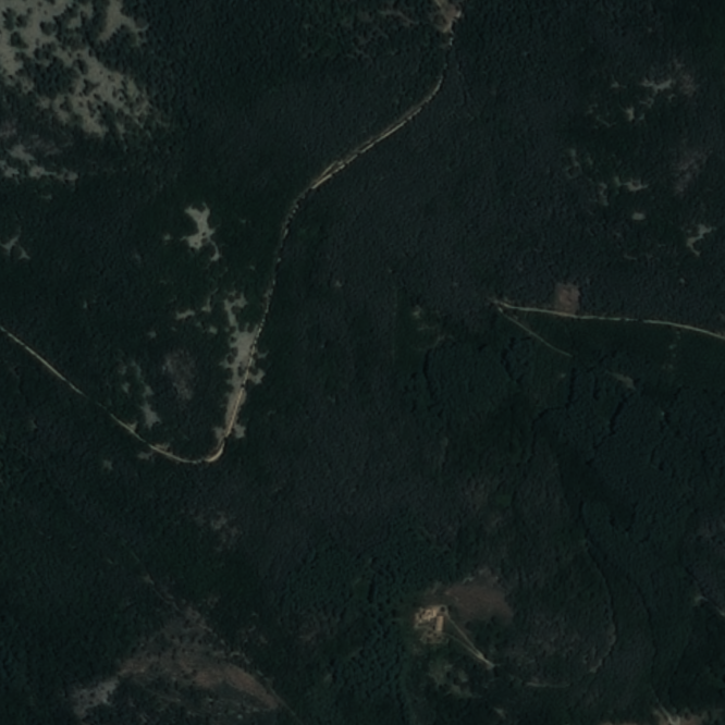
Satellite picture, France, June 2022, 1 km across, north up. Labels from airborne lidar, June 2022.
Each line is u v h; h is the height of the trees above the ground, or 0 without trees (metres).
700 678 15
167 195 12
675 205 9
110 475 9
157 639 8
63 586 14
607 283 19
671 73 7
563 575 12
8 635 11
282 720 10
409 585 27
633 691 15
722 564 15
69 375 10
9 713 25
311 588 28
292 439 15
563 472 14
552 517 20
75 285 10
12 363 9
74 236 13
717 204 8
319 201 17
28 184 9
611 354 8
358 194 17
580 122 13
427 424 24
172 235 8
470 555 9
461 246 19
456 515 14
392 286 19
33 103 7
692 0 13
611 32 14
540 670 12
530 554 14
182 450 10
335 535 14
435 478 13
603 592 12
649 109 6
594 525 36
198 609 6
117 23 0
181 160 13
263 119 14
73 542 12
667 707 13
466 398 30
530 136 13
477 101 10
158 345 10
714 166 9
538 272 16
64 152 9
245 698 0
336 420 16
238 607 11
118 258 15
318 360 17
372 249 19
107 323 12
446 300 15
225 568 9
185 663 0
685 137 7
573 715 16
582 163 8
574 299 0
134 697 12
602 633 19
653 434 29
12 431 18
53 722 17
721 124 13
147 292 13
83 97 7
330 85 20
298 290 14
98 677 15
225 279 11
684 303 14
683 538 18
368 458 14
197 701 9
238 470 13
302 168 15
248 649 12
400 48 16
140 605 12
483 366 28
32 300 16
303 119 13
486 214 19
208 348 13
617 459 28
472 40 16
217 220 11
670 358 5
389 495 16
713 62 11
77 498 15
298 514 17
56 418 17
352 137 13
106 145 6
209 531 10
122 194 7
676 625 27
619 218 8
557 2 9
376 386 19
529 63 12
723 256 13
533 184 18
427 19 18
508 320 7
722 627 18
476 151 13
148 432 9
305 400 15
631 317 10
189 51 13
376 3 14
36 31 0
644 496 30
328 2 17
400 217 16
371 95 15
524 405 22
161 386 13
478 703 14
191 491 10
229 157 16
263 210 17
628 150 8
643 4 12
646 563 31
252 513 14
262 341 10
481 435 12
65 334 14
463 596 0
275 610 14
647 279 14
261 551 17
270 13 14
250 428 13
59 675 12
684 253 12
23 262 12
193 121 15
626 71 7
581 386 25
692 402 27
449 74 16
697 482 29
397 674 27
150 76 14
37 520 16
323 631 8
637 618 15
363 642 16
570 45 13
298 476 16
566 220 14
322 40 9
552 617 8
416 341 7
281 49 11
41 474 15
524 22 14
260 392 12
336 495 13
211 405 13
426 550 28
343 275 15
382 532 18
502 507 9
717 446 20
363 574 31
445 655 7
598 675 12
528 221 18
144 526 19
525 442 14
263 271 16
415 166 18
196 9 19
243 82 12
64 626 21
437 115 13
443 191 14
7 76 0
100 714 11
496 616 7
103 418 14
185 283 9
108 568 18
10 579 17
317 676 9
